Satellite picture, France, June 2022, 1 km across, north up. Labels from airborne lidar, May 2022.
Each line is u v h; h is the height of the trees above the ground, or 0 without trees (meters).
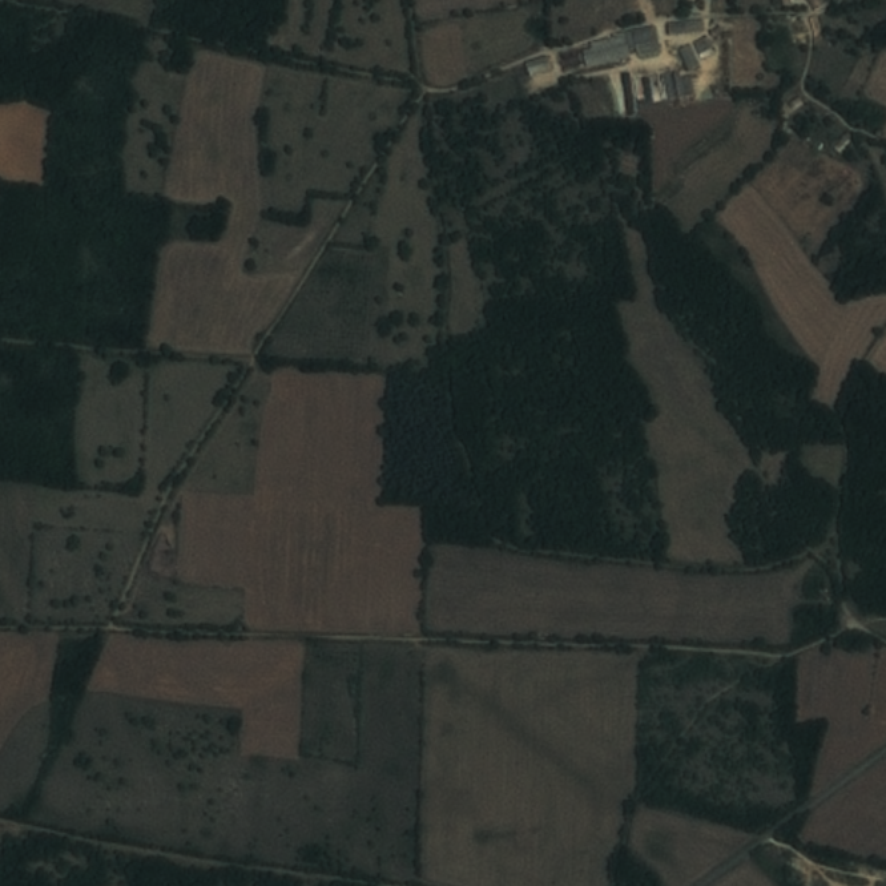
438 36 0
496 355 12
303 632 0
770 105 8
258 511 0
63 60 7
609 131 15
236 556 0
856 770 0
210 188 0
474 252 8
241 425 0
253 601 0
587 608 0
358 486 0
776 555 12
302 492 0
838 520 7
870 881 0
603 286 7
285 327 0
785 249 0
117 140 7
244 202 0
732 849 0
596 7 0
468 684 0
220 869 6
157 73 0
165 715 0
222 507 0
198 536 0
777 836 10
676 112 0
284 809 0
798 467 12
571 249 7
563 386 13
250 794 0
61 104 6
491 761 0
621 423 13
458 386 13
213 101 0
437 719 0
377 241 12
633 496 9
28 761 0
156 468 0
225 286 0
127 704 0
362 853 0
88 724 0
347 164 8
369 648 0
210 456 0
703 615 0
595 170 13
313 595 0
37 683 0
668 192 0
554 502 8
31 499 0
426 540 11
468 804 0
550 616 0
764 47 11
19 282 11
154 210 8
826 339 0
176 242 0
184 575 0
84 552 0
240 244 0
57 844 10
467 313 0
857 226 6
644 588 0
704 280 11
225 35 16
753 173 12
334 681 0
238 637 6
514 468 10
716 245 0
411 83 9
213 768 0
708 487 0
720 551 0
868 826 0
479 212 9
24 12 7
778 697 9
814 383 11
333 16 10
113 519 0
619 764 0
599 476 8
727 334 9
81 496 0
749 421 11
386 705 0
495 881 0
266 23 8
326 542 0
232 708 0
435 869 0
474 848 0
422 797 8
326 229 0
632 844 0
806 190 0
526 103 9
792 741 10
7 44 9
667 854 0
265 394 0
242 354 0
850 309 0
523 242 8
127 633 7
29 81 10
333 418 0
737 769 6
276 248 0
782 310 0
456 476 10
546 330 11
